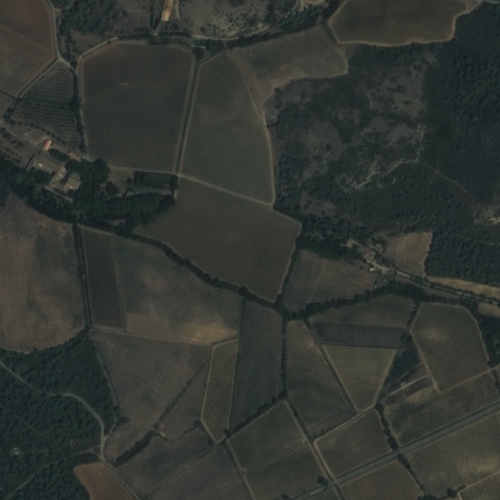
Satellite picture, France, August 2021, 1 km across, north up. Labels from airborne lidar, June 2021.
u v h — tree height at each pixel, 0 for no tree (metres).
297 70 0
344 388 0
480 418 0
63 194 8
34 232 0
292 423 0
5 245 0
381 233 0
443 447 0
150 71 0
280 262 0
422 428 0
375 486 0
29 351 0
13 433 10
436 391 0
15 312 0
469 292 8
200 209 0
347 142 0
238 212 0
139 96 0
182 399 0
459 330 0
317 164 0
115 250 0
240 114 0
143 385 0
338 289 0
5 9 0
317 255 20
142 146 0
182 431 0
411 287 7
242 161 0
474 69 8
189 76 0
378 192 0
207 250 0
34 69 0
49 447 10
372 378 0
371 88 0
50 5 0
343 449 0
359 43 0
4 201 11
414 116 0
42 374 11
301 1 0
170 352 0
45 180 19
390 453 0
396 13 0
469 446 0
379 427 0
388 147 0
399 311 0
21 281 0
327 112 0
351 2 0
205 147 0
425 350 0
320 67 0
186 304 0
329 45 0
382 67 0
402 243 0
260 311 0
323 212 9
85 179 15
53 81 0
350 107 0
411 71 0
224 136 0
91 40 0
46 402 12
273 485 0
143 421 0
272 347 0
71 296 0
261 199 0
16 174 16
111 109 0
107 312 0
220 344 0
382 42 0
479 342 0
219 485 0
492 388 0
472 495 0
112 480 0
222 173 0
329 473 0
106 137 0
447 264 13
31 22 0
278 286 0
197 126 0
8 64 0
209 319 0
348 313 0
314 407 0
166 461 0
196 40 0
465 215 0
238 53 0
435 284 8
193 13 0
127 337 0
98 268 0
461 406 0
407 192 7
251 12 0
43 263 0
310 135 0
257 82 0
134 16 0
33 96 0
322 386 0
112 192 21
